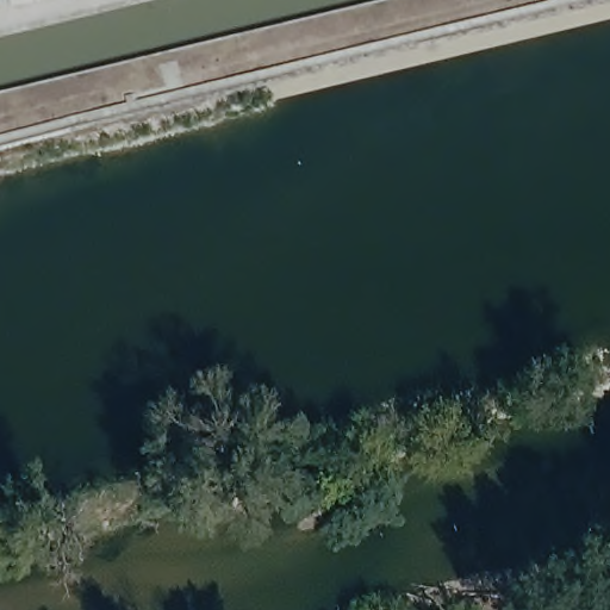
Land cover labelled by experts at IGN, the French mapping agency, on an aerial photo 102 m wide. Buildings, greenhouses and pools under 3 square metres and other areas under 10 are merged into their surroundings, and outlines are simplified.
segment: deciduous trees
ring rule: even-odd
[[[403,603],[400,596],[393,598],[372,593],[353,600],[350,610],[415,610]]]
[[[486,605],[484,610],[610,610],[610,536],[603,536],[603,527],[593,527],[584,536],[584,546],[579,550],[550,555],[550,560],[541,558],[519,577],[515,598],[510,593],[500,593],[498,603]]]
[[[286,522],[298,524],[300,529],[312,527],[315,531],[324,534],[334,550],[357,546],[376,527],[400,527],[405,522],[400,515],[400,503],[407,481],[403,479],[400,460],[405,453],[415,453],[412,465],[422,477],[458,479],[469,474],[477,462],[484,460],[493,441],[508,441],[510,434],[515,434],[517,429],[536,429],[541,424],[550,424],[553,429],[593,427],[598,398],[605,391],[610,391],[610,367],[605,365],[603,348],[562,348],[562,357],[539,357],[531,369],[527,369],[512,381],[512,388],[498,384],[498,391],[493,396],[481,398],[465,391],[453,403],[429,403],[422,405],[419,415],[405,417],[398,410],[386,417],[372,415],[369,410],[360,410],[350,417],[348,429],[334,422],[317,424],[310,422],[305,415],[281,422],[276,415],[276,388],[262,381],[250,381],[245,386],[245,393],[241,396],[238,410],[229,412],[231,374],[224,374],[219,367],[195,369],[195,374],[191,376],[191,388],[212,400],[212,417],[181,419],[179,412],[183,405],[176,403],[176,391],[172,386],[162,388],[164,400],[150,415],[150,429],[155,438],[143,446],[143,453],[148,455],[148,467],[143,474],[119,481],[95,481],[93,486],[74,491],[64,498],[48,493],[43,462],[38,460],[24,460],[24,465],[17,472],[10,472],[0,479],[0,581],[26,577],[31,572],[31,565],[38,565],[43,569],[52,567],[57,565],[57,555],[69,555],[83,562],[83,548],[88,546],[88,541],[81,536],[79,529],[74,529],[74,515],[79,508],[83,512],[95,515],[98,508],[105,508],[110,500],[122,503],[126,498],[136,503],[136,510],[141,512],[162,505],[169,508],[169,515],[164,519],[176,524],[179,531],[191,534],[195,539],[210,539],[214,536],[219,524],[226,524],[243,548],[255,548],[264,543],[264,539],[269,536],[272,515],[281,512]]]

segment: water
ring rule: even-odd
[[[122,60],[164,52],[172,48],[193,45],[231,33],[243,33],[329,10],[341,10],[369,0],[148,0],[50,26],[38,26],[21,33],[0,36],[0,91]]]
[[[493,396],[498,391],[498,384],[512,388],[512,381],[527,369],[531,369],[539,357],[562,357],[562,348],[603,348],[605,365],[610,367],[610,19],[279,100],[272,110],[264,110],[260,114],[229,119],[217,126],[186,133],[107,153],[71,157],[64,162],[52,162],[45,167],[0,176],[0,479],[10,472],[17,472],[24,465],[24,460],[38,460],[43,462],[48,493],[64,498],[74,491],[93,486],[95,481],[119,481],[143,474],[148,467],[148,455],[143,453],[143,446],[155,438],[150,429],[150,415],[164,400],[162,388],[172,386],[176,391],[176,403],[183,405],[179,412],[181,419],[212,417],[212,400],[191,388],[191,376],[195,374],[195,369],[219,367],[224,374],[231,374],[229,412],[238,410],[241,396],[245,393],[245,386],[250,381],[262,381],[276,388],[276,415],[281,422],[305,415],[310,422],[317,424],[334,422],[348,429],[350,417],[360,410],[369,410],[372,415],[386,417],[398,410],[405,417],[419,415],[422,405],[429,403],[453,403],[465,391],[481,398]]]
[[[219,524],[214,536],[210,539],[195,539],[191,534],[179,531],[176,524],[164,519],[153,519],[150,527],[136,524],[117,531],[105,531],[88,541],[88,546],[83,548],[83,562],[69,555],[57,555],[57,565],[52,567],[43,569],[38,565],[31,565],[31,572],[26,577],[0,581],[0,610],[350,610],[353,600],[372,593],[393,598],[400,596],[417,596],[419,591],[427,591],[427,586],[446,584],[453,579],[488,579],[498,569],[512,569],[519,577],[541,558],[550,560],[550,555],[579,550],[584,546],[584,536],[593,527],[603,527],[603,536],[610,536],[610,391],[605,391],[598,398],[593,427],[553,429],[550,424],[541,424],[536,429],[517,429],[515,434],[510,434],[508,441],[493,441],[484,460],[477,462],[469,474],[458,479],[422,477],[412,465],[415,453],[405,453],[400,460],[403,479],[407,481],[400,503],[400,515],[405,522],[400,527],[376,527],[357,546],[334,550],[324,534],[315,531],[312,527],[300,529],[298,524],[286,522],[281,512],[272,515],[269,536],[264,539],[264,543],[255,548],[243,548],[226,524]]]

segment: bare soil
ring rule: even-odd
[[[519,577],[512,569],[498,569],[488,579],[453,579],[446,584],[427,586],[427,591],[419,591],[417,596],[400,596],[403,603],[415,610],[484,610],[486,605],[498,603],[500,593],[510,593],[515,598]]]
[[[155,122],[153,117],[148,124],[150,133],[131,141],[110,143],[105,145],[107,153],[186,133],[183,126],[174,126],[167,131],[160,126],[160,122]]]

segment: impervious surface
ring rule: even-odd
[[[50,26],[148,0],[0,0],[0,36],[21,33],[38,26]]]
[[[153,117],[155,122],[160,122],[188,112],[210,110],[219,100],[238,91],[264,88],[279,100],[610,19],[610,0],[548,0],[195,88],[181,83],[176,62],[167,62],[160,69],[164,81],[150,88],[133,88],[129,102],[124,105],[74,114],[0,136],[0,150],[10,150],[26,143],[41,143],[50,138],[98,141],[100,133],[129,131],[136,124],[148,124]]]

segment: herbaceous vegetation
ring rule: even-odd
[[[79,529],[81,536],[88,541],[105,531],[117,531],[136,524],[150,527],[153,519],[164,519],[169,515],[169,508],[162,505],[141,512],[136,510],[136,503],[126,498],[122,503],[110,500],[105,508],[98,508],[95,515],[83,512],[79,508],[74,515],[74,529]]]
[[[164,52],[122,60],[0,91],[0,136],[74,114],[124,105],[129,102],[133,88],[150,88],[164,81],[160,69],[167,62],[176,62],[181,83],[195,88],[548,0],[369,0],[341,10],[329,10],[243,33],[231,33],[193,45],[172,48]]]

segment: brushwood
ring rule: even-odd
[[[148,124],[136,124],[129,131],[100,133],[98,141],[50,138],[41,143],[26,143],[10,150],[0,150],[0,176],[45,167],[52,162],[64,162],[71,157],[107,153],[105,145],[110,143],[131,141],[150,133]]]
[[[160,126],[167,131],[174,126],[183,126],[186,133],[217,126],[229,119],[260,114],[264,110],[272,110],[279,100],[264,88],[238,91],[219,100],[210,110],[188,112],[160,122]]]

